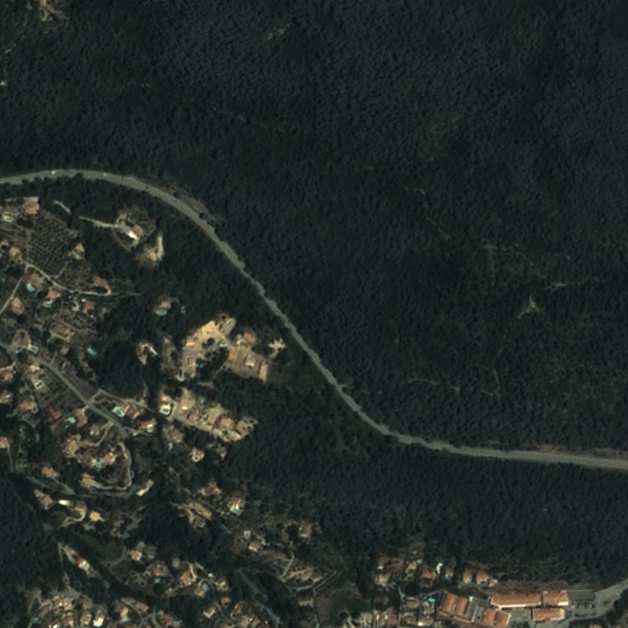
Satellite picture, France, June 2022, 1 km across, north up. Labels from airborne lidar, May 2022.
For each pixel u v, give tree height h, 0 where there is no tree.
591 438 17
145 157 21
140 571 9
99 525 12
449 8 20
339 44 22
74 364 12
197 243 14
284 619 15
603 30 14
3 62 18
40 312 8
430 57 19
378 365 21
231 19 19
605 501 15
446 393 7
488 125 20
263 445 23
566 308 15
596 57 11
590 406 8
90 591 15
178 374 0
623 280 10
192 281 16
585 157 10
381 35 11
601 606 0
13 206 7
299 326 11
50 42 8
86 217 7
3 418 12
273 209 14
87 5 17
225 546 19
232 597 11
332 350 20
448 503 17
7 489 17
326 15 9
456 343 9
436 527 6
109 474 12
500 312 17
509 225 13
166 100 12
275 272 22
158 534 23
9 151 17
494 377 7
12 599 23
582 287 12
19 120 21
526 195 21
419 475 21
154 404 12
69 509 7
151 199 15
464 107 22
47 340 10
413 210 24
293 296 12
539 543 7
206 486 13
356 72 16
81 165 15
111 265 16
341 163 10
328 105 15
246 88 20
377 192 7
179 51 18
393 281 9
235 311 15
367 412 15
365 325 10
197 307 17
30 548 19
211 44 7
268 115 11
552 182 10
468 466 20
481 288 11
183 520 14
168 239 11
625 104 23
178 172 6
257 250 20
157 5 8
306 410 13
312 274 10
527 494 19
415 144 19
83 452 6
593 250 15
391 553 15
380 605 11
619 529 18
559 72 18
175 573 12
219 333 0
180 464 16
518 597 0
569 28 20
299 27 18
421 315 21
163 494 20
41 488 7
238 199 18
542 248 9
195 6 24
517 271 8
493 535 6
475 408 20
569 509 17
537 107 23
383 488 20
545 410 15
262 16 18
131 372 25
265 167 9
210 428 0
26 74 26
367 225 10
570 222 9
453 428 21
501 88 14
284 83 19
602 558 16
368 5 20
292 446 23
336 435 16
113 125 12
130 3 9
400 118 22
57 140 24
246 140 10
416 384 7
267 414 24
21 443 19
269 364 0
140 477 10
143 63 14
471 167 15
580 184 13
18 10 20
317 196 18
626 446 18
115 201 17
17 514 20
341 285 9
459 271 11
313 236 7
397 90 23
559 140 24
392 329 11
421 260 13
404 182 10
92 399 0
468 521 13
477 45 23
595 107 20
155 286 20
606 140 17
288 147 8
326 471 22
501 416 17
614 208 16
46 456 19
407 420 19
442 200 14
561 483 19
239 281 18
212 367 15
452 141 15
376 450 18
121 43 7
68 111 9
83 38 14
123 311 16
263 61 16
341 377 21
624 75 21
